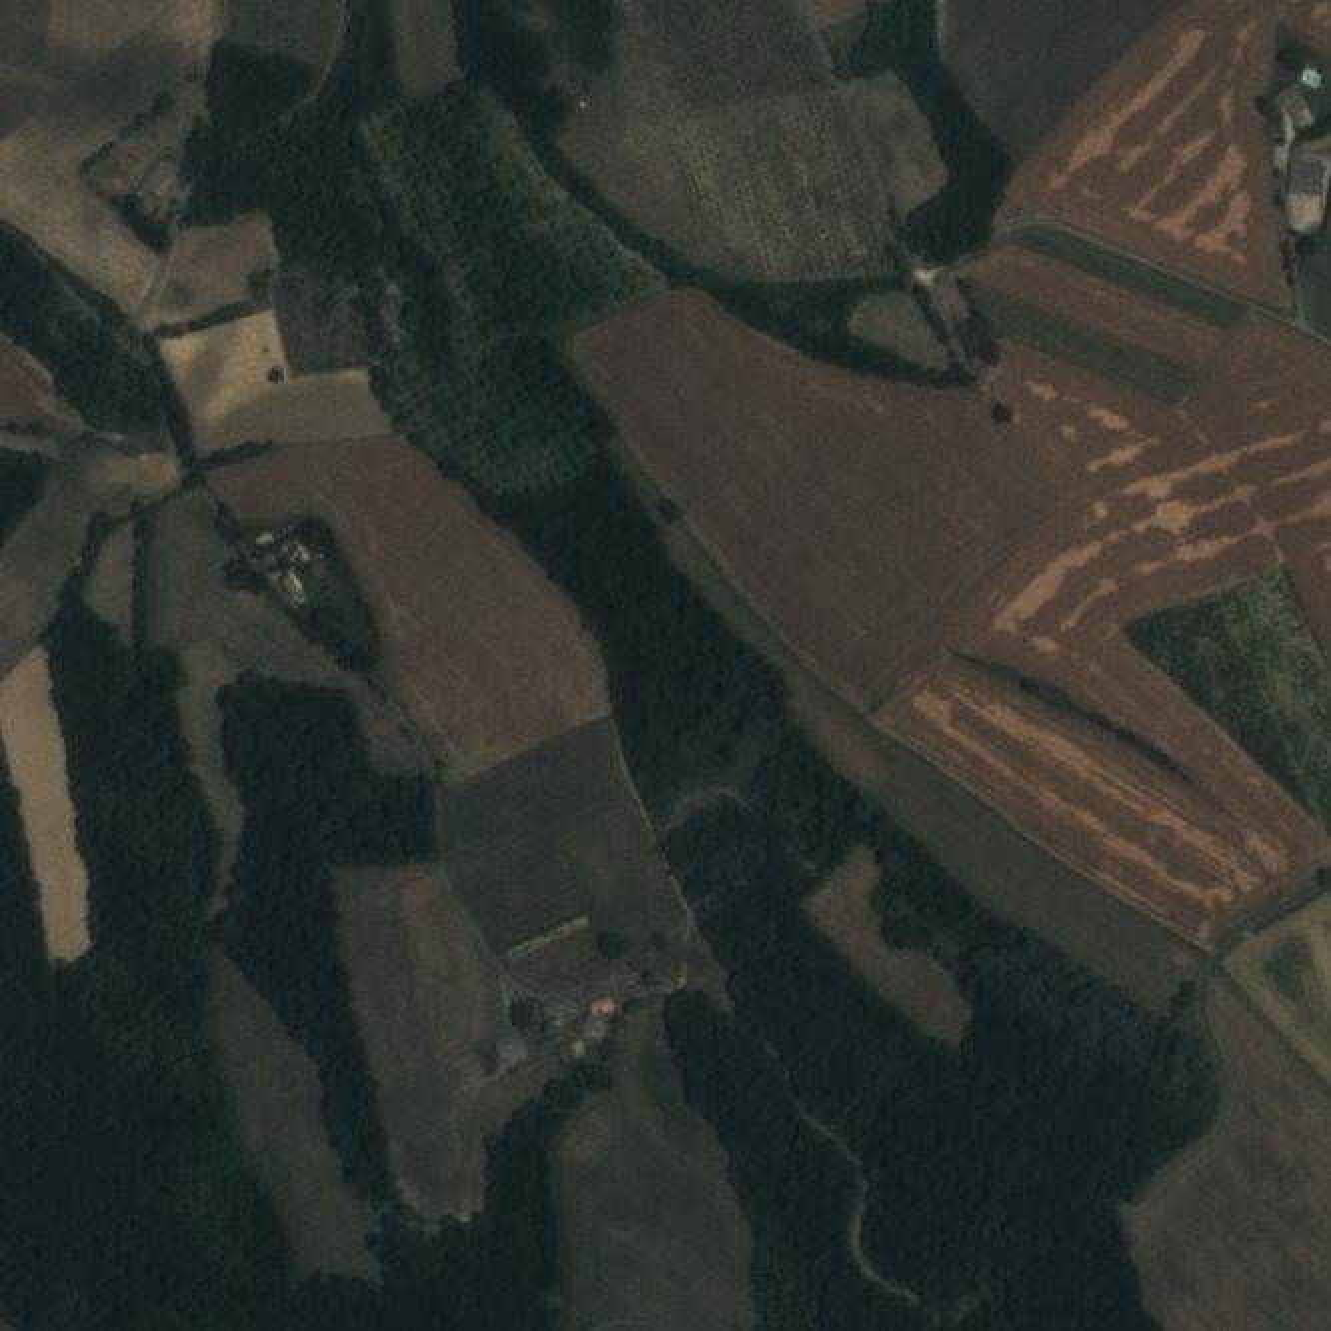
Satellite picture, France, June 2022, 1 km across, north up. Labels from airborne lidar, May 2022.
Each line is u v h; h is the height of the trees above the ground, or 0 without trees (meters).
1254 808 0
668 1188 0
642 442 0
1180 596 0
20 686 0
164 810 23
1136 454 0
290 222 11
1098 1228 13
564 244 6
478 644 0
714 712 24
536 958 0
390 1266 20
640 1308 0
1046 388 0
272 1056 0
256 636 0
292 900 12
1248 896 0
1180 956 0
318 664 0
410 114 12
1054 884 0
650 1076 0
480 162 10
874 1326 16
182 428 12
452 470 16
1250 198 0
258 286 8
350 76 9
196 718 0
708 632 9
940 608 0
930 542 0
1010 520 0
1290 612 0
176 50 0
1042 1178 16
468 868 0
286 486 0
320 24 0
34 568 0
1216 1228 0
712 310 0
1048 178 0
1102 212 0
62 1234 21
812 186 0
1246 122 0
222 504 9
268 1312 21
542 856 0
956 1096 11
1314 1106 0
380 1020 0
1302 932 0
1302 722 0
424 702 0
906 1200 11
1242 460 0
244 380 0
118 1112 22
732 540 0
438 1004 0
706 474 0
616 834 0
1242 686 0
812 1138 15
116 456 0
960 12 0
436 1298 19
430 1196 0
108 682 21
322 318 8
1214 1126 0
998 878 0
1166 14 0
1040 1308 12
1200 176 0
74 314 7
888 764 0
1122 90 0
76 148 0
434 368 8
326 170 14
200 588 0
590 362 0
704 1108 21
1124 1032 23
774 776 16
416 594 0
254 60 13
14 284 14
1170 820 0
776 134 0
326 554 7
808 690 0
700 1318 0
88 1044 22
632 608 10
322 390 0
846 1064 14
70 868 0
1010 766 0
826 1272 9
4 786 12
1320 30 0
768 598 0
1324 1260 0
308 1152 0
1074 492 0
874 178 0
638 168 0
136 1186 20
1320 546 0
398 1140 0
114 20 0
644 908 0
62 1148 22
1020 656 0
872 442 0
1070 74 0
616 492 11
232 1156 12
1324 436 0
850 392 0
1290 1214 0
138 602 9
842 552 0
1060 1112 18
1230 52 0
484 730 0
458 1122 0
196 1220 15
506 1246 14
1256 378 0
